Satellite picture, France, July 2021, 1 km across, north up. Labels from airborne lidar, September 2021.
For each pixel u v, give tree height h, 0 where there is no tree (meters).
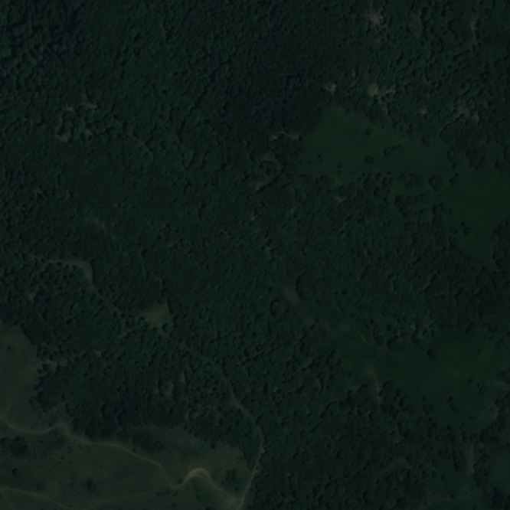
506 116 24
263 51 32
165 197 24
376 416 30
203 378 26
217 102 29
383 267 24
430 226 22
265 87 29
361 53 25
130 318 26
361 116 0
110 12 18
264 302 31
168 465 0
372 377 0
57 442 6
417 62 30
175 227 27
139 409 25
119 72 28
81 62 32
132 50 27
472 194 0
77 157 19
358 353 0
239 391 25
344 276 25
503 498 28
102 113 23
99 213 13
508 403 6
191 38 30
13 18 18
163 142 25
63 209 18
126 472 0
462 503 0
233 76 31
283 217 31
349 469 28
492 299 31
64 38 35
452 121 25
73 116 31
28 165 21
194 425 25
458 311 29
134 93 33
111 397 27
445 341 0
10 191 27
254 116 26
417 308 21
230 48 29
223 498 0
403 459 21
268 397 29
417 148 0
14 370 0
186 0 30
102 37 27
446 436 10
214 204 26
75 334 29
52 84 31
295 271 20
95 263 22
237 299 16
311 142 15
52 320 26
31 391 0
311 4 26
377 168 0
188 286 13
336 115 0
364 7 27
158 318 0
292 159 22
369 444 31
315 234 27
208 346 27
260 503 11
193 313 27
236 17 29
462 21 28
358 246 25
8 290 29
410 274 28
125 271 25
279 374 28
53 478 0
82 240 20
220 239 23
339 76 22
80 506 0
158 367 25
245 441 21
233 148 28
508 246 9
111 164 23
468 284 24
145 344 25
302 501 27
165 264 23
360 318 26
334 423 28
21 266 27
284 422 18
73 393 19
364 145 0
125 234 11
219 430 29
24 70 29
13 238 27
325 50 27
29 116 28
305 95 29
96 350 31
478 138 21
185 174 27
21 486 0
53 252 27
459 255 14
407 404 32
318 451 30
